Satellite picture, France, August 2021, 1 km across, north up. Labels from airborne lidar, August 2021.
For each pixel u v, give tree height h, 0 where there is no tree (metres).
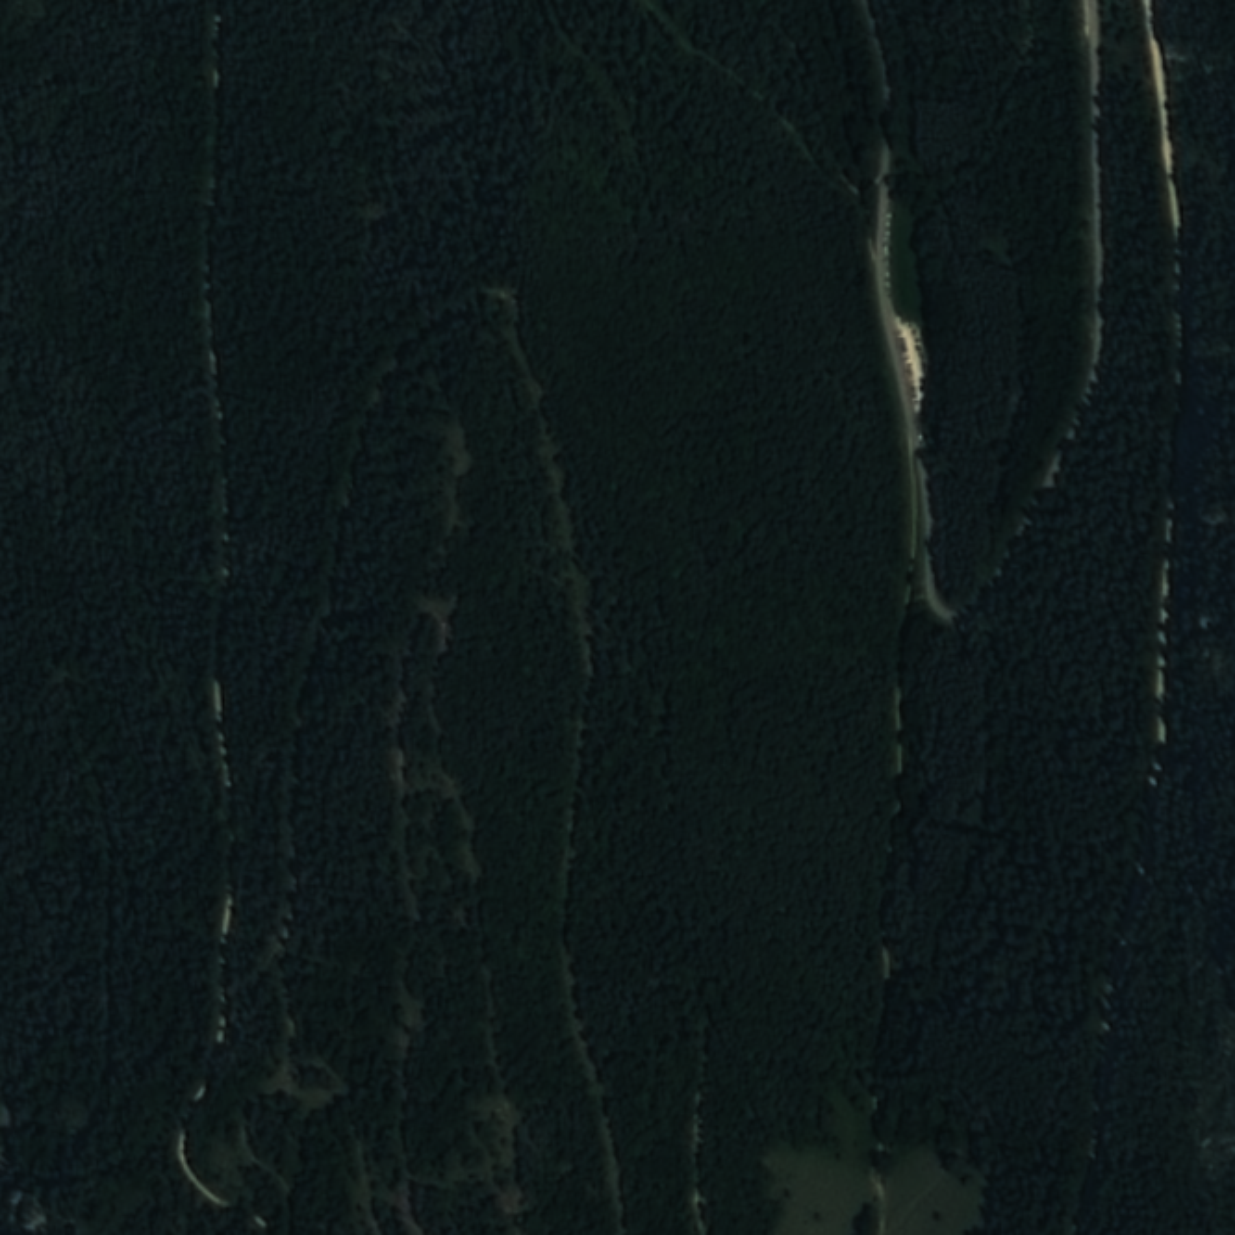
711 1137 18
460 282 22
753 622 22
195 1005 13
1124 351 20
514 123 25
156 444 20
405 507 14
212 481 18
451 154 26
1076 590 22
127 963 17
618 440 20
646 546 17
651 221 20
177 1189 10
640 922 19
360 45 22
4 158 21
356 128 13
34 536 22
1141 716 25
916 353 0
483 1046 9
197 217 17
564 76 29
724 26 24
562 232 19
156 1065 21
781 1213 19
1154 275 15
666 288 22
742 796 21
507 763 17
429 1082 14
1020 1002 27
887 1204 0
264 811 16
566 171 15
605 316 16
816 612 19
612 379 19
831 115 24
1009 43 6
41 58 14
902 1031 23
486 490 12
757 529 21
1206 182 20
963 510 27
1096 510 26
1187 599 15
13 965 24
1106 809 24
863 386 24
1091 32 0
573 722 18
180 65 19
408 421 15
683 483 22
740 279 25
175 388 20
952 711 29
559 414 14
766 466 20
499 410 16
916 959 30
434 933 22
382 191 25
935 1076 23
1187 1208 9
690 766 20
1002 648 26
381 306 19
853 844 23
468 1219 8
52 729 20
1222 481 8
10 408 27
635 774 25
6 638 19
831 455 26
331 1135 9
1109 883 22
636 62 23
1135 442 26
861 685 17
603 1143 13
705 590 21
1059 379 18
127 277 18
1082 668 25
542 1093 14
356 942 14
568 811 15
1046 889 25
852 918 23
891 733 7
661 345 17
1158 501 9
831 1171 0
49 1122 8
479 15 30
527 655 15
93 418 24
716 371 22
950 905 24
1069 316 17
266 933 11
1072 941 14
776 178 23
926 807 9
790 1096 19
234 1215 15
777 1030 22
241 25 24
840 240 22
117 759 9
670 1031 7
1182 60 8
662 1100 19
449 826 13
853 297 22
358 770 19
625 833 25
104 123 18
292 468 19
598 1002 23
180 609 21
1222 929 6
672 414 24
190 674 8
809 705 14
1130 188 22
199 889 18
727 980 20
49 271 22
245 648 16
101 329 19
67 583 13
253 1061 14
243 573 19
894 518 23
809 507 23
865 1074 20
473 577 16
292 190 12
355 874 13
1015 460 23
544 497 17
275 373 17
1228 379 11
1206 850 15
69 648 19
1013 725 23
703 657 18
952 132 19
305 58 15
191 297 15
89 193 19
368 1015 14
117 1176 13
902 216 0
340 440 17
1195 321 29
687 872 19
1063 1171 22
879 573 22
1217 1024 11
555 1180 6
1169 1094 21
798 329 21
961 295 22
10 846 22
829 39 13
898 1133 6
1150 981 26
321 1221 15
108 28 19
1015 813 21
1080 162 17
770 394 18
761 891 22
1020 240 10
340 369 12
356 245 21
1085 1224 19
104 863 15
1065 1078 31
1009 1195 21
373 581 20
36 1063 19
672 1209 18
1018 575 22
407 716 12
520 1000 11
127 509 19
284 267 17
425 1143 11
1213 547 12
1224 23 10
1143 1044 27
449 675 13
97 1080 18
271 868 14
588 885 18
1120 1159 14
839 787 23
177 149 13
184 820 10
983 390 26
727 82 20
